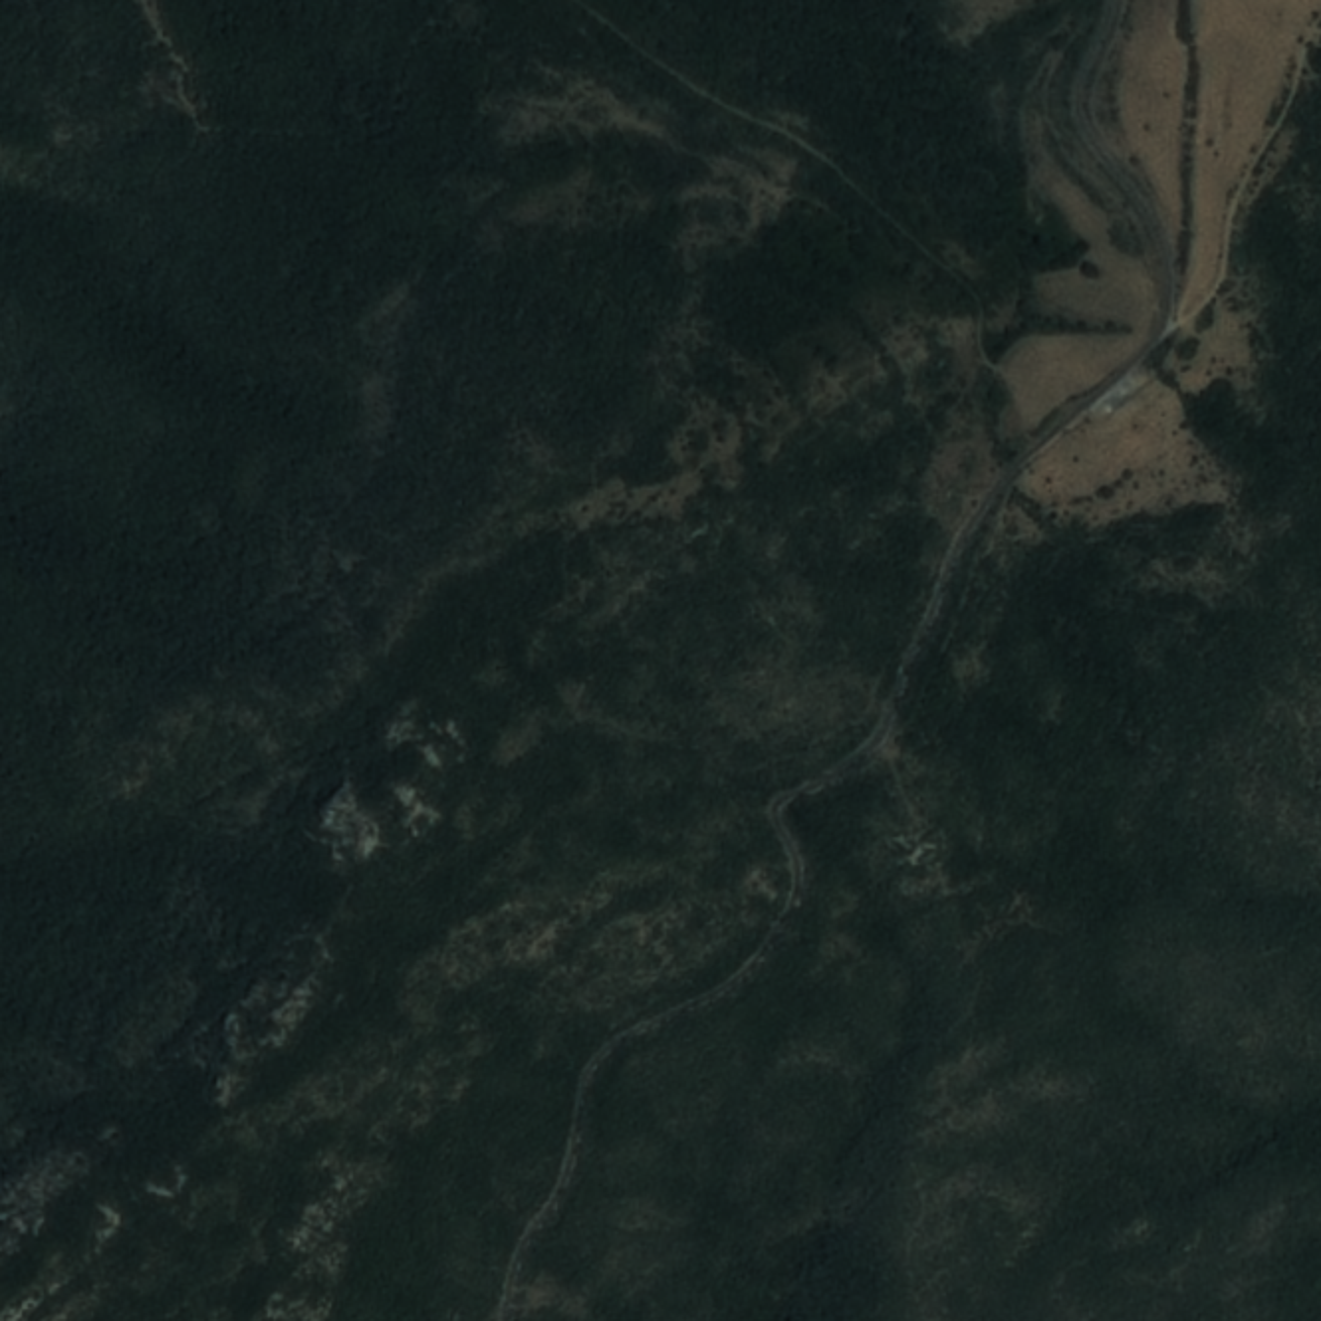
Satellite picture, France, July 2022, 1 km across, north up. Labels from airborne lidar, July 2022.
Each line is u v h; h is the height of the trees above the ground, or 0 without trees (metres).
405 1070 6
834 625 7
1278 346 6
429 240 7
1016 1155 5
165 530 8
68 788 6
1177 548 8
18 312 7
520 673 7
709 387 7
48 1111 8
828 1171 8
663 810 8
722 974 5
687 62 6
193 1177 7
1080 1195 6
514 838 7
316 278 8
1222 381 8
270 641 6
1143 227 0
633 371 6
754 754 6
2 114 7
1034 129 0
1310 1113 13
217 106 9
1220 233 0
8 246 8
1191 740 6
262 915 8
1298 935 7
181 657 6
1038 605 7
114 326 15
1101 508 0
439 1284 7
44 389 6
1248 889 6
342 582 6
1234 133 0
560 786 8
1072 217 0
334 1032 9
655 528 6
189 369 10
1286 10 0
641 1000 5
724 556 6
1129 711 11
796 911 6
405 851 6
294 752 8
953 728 8
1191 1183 8
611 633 7
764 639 7
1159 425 0
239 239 6
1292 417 6
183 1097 5
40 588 11
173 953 7
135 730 6
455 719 6
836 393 0
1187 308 0
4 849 9
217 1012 8
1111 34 0
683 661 9
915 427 6
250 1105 7
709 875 9
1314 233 6
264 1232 6
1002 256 0
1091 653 6
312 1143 8
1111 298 0
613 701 6
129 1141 6
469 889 6
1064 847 11
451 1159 9
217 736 6
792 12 7
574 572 6
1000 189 8
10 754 7
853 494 7
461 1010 6
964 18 0
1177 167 0
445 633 7
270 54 10
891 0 10
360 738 5
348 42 7
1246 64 0
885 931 8
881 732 0
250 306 8
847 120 8
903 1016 6
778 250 7
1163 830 6
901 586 8
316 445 7
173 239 7
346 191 8
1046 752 14
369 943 8
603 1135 6
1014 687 10
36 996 8
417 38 7
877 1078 6
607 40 10
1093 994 6
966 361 0
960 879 5
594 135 0
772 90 6
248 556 6
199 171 5
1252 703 6
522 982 7
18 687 8
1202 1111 6
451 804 7
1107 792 8
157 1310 7
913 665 8
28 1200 0
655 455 7
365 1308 6
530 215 0
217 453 8
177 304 6
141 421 7
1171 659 10
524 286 6
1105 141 0
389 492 6
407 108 6
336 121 12
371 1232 8
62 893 9
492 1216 8
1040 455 0
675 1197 6
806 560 8
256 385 11
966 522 0
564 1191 6
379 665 6
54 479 9
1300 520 7
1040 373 0
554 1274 6
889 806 6
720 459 0
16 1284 7
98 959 6
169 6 9
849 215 7
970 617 6
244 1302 7
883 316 0
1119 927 6
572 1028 6
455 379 6
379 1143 7
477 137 6
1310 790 6
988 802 6
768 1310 8
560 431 6
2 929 8
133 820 11
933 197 6
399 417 6
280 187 7
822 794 7
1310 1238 5
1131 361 0
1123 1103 6
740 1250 6
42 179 8
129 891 8
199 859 6
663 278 6
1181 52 0
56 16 6
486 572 6
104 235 9
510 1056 6
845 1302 7
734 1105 6
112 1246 6
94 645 7
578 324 7
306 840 6
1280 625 6
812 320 6
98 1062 6
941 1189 0
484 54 6
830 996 6
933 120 7
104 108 7
